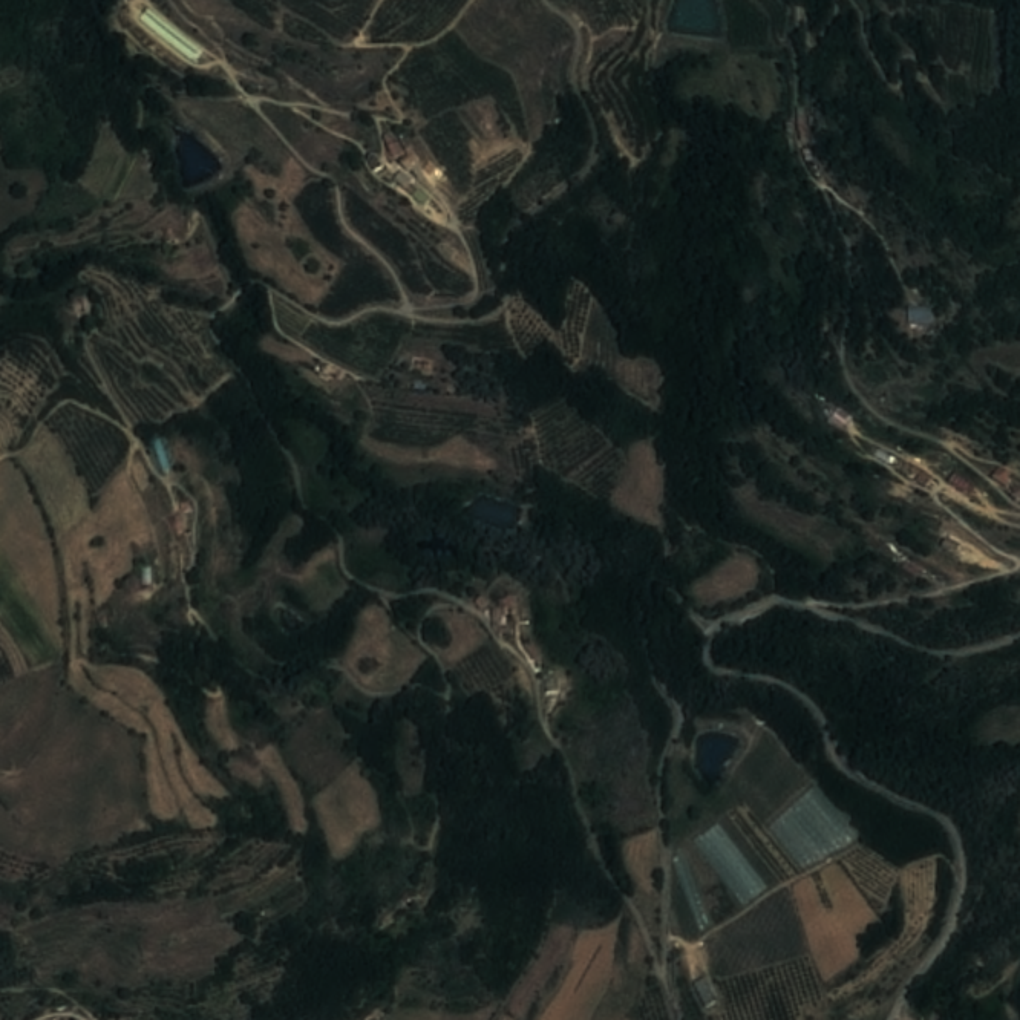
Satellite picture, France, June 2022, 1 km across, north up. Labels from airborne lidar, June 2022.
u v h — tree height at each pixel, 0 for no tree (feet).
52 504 0
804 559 82
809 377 31
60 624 23
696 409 78
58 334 27
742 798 0
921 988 57
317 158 0
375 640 0
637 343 55
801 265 39
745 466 33
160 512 0
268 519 46
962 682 48
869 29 25
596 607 46
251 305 33
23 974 38
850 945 0
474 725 51
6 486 0
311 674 49
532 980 0
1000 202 26
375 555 0
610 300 48
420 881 41
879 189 28
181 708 30
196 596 29
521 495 26
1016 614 22
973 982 38
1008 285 24
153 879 37
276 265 0
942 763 57
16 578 0
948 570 0
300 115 0
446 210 0
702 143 97
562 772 30
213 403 33
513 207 27
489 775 68
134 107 31
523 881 43
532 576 52
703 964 0
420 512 32
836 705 43
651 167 36
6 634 0
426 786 24
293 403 20
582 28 0
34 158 30
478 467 0
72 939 0
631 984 0
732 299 29
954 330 31
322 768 0
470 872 37
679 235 40
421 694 33
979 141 37
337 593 0
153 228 0
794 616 56
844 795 18
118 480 0
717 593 0
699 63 24
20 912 29
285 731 21
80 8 48
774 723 35
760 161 24
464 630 0
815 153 43
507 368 56
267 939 28
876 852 38
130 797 0
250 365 60
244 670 31
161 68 29
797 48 41
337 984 44
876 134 25
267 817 19
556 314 35
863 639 31
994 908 20
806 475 30
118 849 22
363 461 24
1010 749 74
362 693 0
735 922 0
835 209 18
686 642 70
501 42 0
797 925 0
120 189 0
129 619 0
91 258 69
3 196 0
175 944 0
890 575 25
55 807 0
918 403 27
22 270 45
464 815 28
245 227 0
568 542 56
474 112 0
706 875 0
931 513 0
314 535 30
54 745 0
